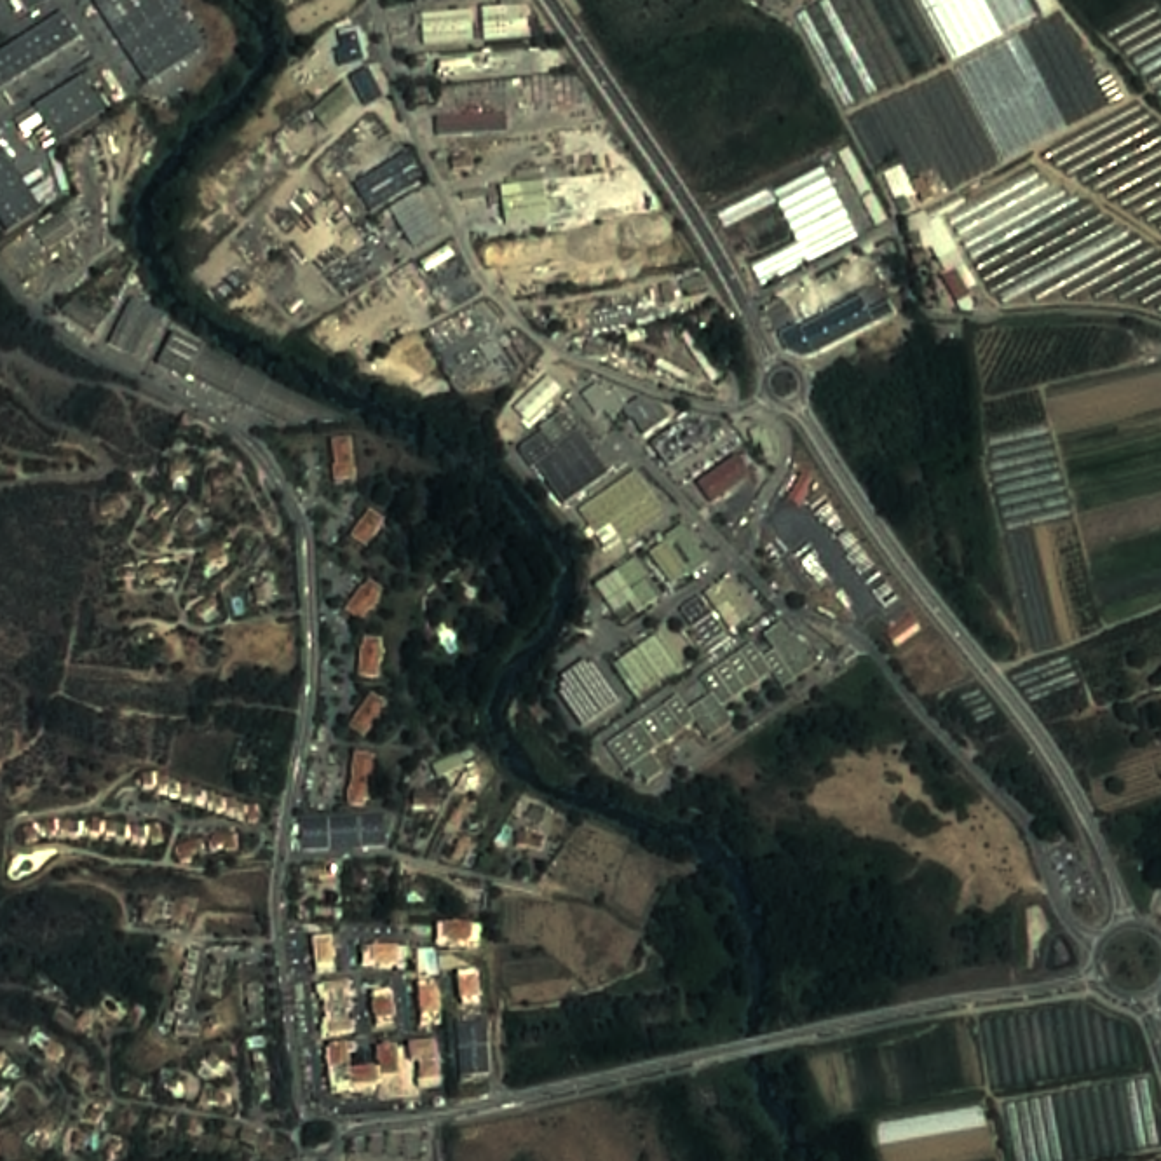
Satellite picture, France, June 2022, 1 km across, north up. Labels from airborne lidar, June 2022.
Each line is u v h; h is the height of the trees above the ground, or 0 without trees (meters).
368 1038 0
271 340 8
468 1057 0
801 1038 0
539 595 19
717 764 0
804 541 0
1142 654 13
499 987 0
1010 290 0
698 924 6
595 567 0
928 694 0
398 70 0
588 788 20
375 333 0
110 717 11
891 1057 0
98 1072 10
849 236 0
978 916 9
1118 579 0
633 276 0
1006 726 6
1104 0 0
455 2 0
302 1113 0
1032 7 0
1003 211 0
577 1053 7
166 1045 0
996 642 8
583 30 0
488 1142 0
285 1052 10
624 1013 25
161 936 8
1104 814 6
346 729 15
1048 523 0
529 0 0
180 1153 6
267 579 0
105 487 8
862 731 11
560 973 0
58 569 7
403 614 0
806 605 9
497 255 0
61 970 14
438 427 16
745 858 17
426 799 0
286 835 0
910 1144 0
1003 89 0
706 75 0
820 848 11
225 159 0
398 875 6
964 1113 0
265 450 0
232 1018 0
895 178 0
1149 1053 0
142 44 0
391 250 0
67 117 0
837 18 0
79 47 0
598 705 0
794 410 0
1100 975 0
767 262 0
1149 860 10
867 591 0
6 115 0
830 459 0
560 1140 0
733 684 0
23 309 10
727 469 0
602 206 0
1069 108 0
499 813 0
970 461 7
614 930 0
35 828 0
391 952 0
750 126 0
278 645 0
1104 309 0
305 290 0
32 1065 8
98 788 8
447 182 0
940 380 11
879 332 0
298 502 0
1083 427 0
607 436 0
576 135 0
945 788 6
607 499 0
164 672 11
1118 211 0
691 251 0
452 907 20
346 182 0
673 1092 6
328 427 12
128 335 0
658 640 0
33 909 15
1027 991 0
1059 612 0
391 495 17
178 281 7
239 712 11
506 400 11
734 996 6
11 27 0
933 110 0
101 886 0
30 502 9
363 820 0
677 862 15
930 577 0
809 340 0
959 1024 0
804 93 0
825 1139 15
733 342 17
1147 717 6
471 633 16
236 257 0
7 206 0
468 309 0
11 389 7
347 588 0
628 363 0
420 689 17
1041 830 19
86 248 0
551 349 0
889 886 16
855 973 10
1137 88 10
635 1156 0
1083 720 0
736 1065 5
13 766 13
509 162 0
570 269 0
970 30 0
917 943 19
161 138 7
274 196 0
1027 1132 0
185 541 12
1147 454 0
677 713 0
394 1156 0
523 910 0
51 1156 8
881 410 8
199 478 6
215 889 0
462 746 15
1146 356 0
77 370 12
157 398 0
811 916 18
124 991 13
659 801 11
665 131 0
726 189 0
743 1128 6
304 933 0
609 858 0
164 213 22
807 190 0
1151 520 0
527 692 10
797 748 10
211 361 0
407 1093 0
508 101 0
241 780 14
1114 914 0
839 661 0
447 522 29
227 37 0
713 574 0
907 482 13
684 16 8
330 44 0
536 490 12
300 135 0
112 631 6
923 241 0
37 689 6
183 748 0
